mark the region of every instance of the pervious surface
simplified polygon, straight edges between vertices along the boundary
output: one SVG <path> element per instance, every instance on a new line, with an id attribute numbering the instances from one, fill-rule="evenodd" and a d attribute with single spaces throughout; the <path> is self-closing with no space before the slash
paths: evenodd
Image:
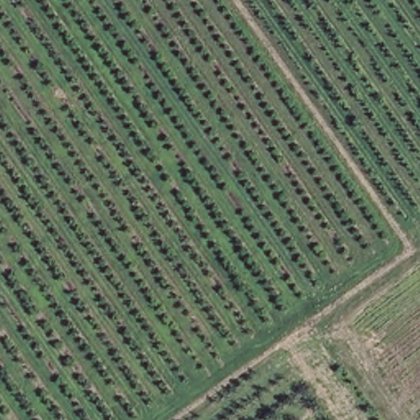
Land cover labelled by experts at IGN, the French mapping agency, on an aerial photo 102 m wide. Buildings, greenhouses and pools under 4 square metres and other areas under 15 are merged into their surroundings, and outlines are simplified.
<path id="1" fill-rule="evenodd" d="M 304 87 L 295 79 L 281 54 L 274 48 L 269 36 L 264 33 L 241 0 L 231 0 L 249 28 L 258 36 L 259 43 L 269 52 L 272 61 L 281 69 L 287 82 L 294 87 L 295 94 L 302 98 L 305 107 L 317 120 L 320 130 L 335 144 L 336 151 L 345 159 L 354 177 L 363 185 L 363 189 L 379 208 L 382 217 L 386 218 L 390 228 L 404 244 L 404 251 L 399 256 L 395 256 L 386 266 L 379 267 L 371 276 L 346 290 L 343 297 L 346 300 L 351 299 L 413 254 L 412 241 L 407 238 L 407 233 L 402 230 L 397 220 L 390 215 L 384 202 L 369 184 L 358 164 L 353 161 L 353 156 L 348 153 L 340 138 L 335 135 L 335 131 L 331 130 L 328 121 L 315 107 L 312 98 L 308 97 Z"/>
<path id="2" fill-rule="evenodd" d="M 228 386 L 231 379 L 236 379 L 277 353 L 274 346 L 269 346 L 264 353 L 235 371 L 235 376 L 223 379 L 220 384 L 208 390 L 207 394 L 200 395 L 192 404 L 179 410 L 176 420 L 195 420 L 199 418 L 199 413 L 195 410 L 205 404 L 207 397 L 217 395 L 223 387 Z"/>

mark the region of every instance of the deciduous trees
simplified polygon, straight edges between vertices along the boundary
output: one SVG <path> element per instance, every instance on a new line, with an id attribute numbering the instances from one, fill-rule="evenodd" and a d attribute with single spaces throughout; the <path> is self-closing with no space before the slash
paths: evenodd
<path id="1" fill-rule="evenodd" d="M 363 141 L 371 151 L 371 156 L 376 159 L 377 166 L 384 166 L 384 157 L 377 151 L 366 131 L 363 131 Z"/>
<path id="2" fill-rule="evenodd" d="M 390 171 L 387 180 L 402 200 L 415 207 L 409 192 L 402 187 L 394 172 Z"/>
<path id="3" fill-rule="evenodd" d="M 389 112 L 389 107 L 384 105 L 384 113 L 394 126 L 395 133 L 409 148 L 410 153 L 415 153 L 417 148 L 405 135 L 399 121 Z"/>
<path id="4" fill-rule="evenodd" d="M 28 292 L 20 289 L 18 282 L 8 276 L 5 277 L 5 282 L 20 302 L 23 312 L 30 315 L 30 304 L 26 302 Z"/>
<path id="5" fill-rule="evenodd" d="M 394 148 L 394 143 L 387 138 L 381 125 L 374 120 L 374 116 L 366 107 L 366 103 L 361 100 L 364 94 L 371 95 L 372 100 L 381 98 L 366 80 L 354 87 L 356 95 L 351 98 L 354 103 L 359 103 L 364 116 L 376 128 L 377 135 L 389 144 L 394 161 L 400 167 L 407 167 L 404 159 L 399 156 L 399 151 Z"/>
<path id="6" fill-rule="evenodd" d="M 410 69 L 420 80 L 420 67 L 413 61 L 412 54 L 405 49 L 404 44 L 395 44 L 395 48 L 399 49 Z"/>
<path id="7" fill-rule="evenodd" d="M 143 389 L 131 376 L 130 367 L 121 366 L 118 371 L 125 377 L 131 392 L 141 392 Z"/>
<path id="8" fill-rule="evenodd" d="M 228 407 L 221 410 L 217 415 L 218 420 L 228 420 L 236 410 L 244 409 L 256 397 L 261 397 L 262 387 L 254 386 L 253 394 L 231 402 Z"/>
<path id="9" fill-rule="evenodd" d="M 353 220 L 346 217 L 345 210 L 341 210 L 335 197 L 331 195 L 331 199 L 326 202 L 336 218 L 340 220 L 341 225 L 346 226 L 346 230 L 353 228 Z"/>
<path id="10" fill-rule="evenodd" d="M 26 205 L 34 210 L 39 203 L 26 192 L 25 185 L 21 184 L 13 172 L 8 177 L 20 192 L 20 199 L 25 200 Z"/>
<path id="11" fill-rule="evenodd" d="M 225 223 L 220 226 L 220 231 L 230 241 L 236 256 L 240 258 L 243 254 L 248 254 L 241 248 L 240 240 L 233 235 L 233 231 L 228 230 Z"/>
<path id="12" fill-rule="evenodd" d="M 318 13 L 318 26 L 328 36 L 333 48 L 340 48 L 336 34 L 326 23 L 322 13 Z"/>
<path id="13" fill-rule="evenodd" d="M 305 128 L 304 121 L 290 105 L 284 92 L 279 89 L 276 92 L 277 97 L 302 130 Z"/>
<path id="14" fill-rule="evenodd" d="M 389 199 L 389 195 L 384 192 L 376 177 L 372 176 L 371 169 L 366 166 L 356 146 L 351 143 L 345 131 L 338 130 L 336 118 L 328 121 L 331 130 L 335 131 L 335 135 L 340 138 L 348 153 L 353 156 L 353 161 L 358 164 L 369 184 L 384 202 Z"/>
<path id="15" fill-rule="evenodd" d="M 228 277 L 233 290 L 240 290 L 238 277 L 230 264 L 225 262 L 218 244 L 215 243 L 210 249 L 218 264 L 215 267 L 223 272 L 223 276 Z"/>

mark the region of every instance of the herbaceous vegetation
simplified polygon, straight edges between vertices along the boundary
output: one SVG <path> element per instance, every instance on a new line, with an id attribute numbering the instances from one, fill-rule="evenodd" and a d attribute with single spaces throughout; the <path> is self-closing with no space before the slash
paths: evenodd
<path id="1" fill-rule="evenodd" d="M 231 0 L 0 0 L 0 420 L 176 420 L 179 410 L 192 404 L 200 395 L 207 394 L 208 390 L 220 384 L 223 379 L 235 376 L 235 371 L 264 353 L 269 346 L 274 346 L 277 353 L 236 379 L 231 379 L 228 386 L 223 387 L 217 395 L 207 397 L 205 404 L 195 410 L 199 413 L 199 418 L 195 420 L 218 420 L 217 415 L 221 410 L 228 407 L 231 402 L 253 394 L 254 386 L 262 387 L 261 397 L 256 397 L 244 409 L 236 410 L 228 420 L 420 420 L 420 394 L 402 404 L 399 395 L 390 392 L 381 397 L 374 390 L 364 389 L 361 392 L 363 376 L 354 363 L 351 348 L 345 340 L 333 338 L 331 326 L 340 323 L 341 318 L 353 312 L 361 302 L 369 299 L 374 292 L 420 261 L 420 80 L 410 69 L 399 49 L 395 48 L 395 44 L 404 44 L 405 49 L 412 54 L 413 61 L 420 67 L 420 0 L 241 0 L 264 33 L 269 36 L 274 48 L 281 54 L 295 79 L 304 87 L 308 97 L 312 98 L 315 107 L 328 121 L 336 118 L 338 130 L 345 131 L 351 143 L 356 146 L 366 166 L 371 169 L 372 176 L 376 177 L 384 192 L 389 195 L 389 199 L 384 202 L 390 215 L 397 220 L 402 230 L 407 233 L 407 238 L 412 241 L 413 254 L 351 299 L 346 300 L 343 297 L 346 290 L 371 276 L 379 267 L 386 266 L 395 256 L 399 256 L 404 251 L 404 244 L 390 228 L 386 218 L 382 217 L 379 208 L 363 189 L 363 185 L 354 177 L 345 159 L 336 151 L 335 144 L 320 130 L 317 120 L 305 107 L 302 98 L 295 94 L 294 87 L 287 82 L 281 69 L 272 61 L 269 52 L 259 43 L 258 36 L 249 28 Z M 326 23 L 336 34 L 340 48 L 333 48 L 328 36 L 318 26 L 318 13 L 322 13 Z M 374 120 L 381 125 L 387 138 L 394 143 L 394 148 L 399 151 L 399 156 L 404 159 L 407 167 L 400 167 L 394 161 L 389 144 L 377 135 L 376 128 L 364 116 L 359 103 L 354 103 L 351 98 L 356 95 L 354 87 L 366 80 L 381 98 L 372 100 L 371 95 L 364 94 L 361 100 L 366 103 L 366 107 L 374 116 Z M 304 121 L 305 128 L 302 130 L 277 97 L 276 92 L 279 89 L 284 92 L 290 105 Z M 415 153 L 410 153 L 409 148 L 395 133 L 394 126 L 384 113 L 384 105 L 389 107 L 389 112 L 399 121 L 405 135 L 417 148 Z M 377 151 L 384 157 L 384 166 L 377 166 L 376 159 L 371 156 L 371 151 L 363 141 L 363 131 L 366 131 Z M 402 200 L 387 180 L 390 171 L 394 172 L 402 187 L 409 192 L 415 207 Z M 8 177 L 13 172 L 21 184 L 25 185 L 26 192 L 39 203 L 34 210 L 26 205 L 25 200 L 20 199 L 20 192 Z M 341 210 L 345 210 L 346 217 L 353 220 L 353 228 L 346 230 L 346 226 L 341 225 L 340 220 L 336 218 L 326 202 L 331 199 L 331 195 L 335 197 Z M 230 241 L 220 231 L 220 226 L 225 223 L 228 230 L 233 231 L 233 235 L 240 240 L 241 248 L 248 254 L 243 254 L 240 258 L 236 256 Z M 240 290 L 233 290 L 228 277 L 223 276 L 223 272 L 215 267 L 218 264 L 210 249 L 215 243 L 218 244 L 225 262 L 230 264 L 238 277 Z M 18 282 L 20 289 L 28 292 L 26 302 L 30 304 L 30 315 L 23 312 L 20 302 L 5 282 L 5 277 L 8 276 Z M 131 392 L 125 377 L 118 371 L 121 366 L 130 367 L 131 376 L 143 389 L 141 392 Z"/>

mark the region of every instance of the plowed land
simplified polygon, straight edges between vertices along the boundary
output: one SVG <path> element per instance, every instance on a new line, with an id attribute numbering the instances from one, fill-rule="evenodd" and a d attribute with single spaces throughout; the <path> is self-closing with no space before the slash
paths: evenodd
<path id="1" fill-rule="evenodd" d="M 331 326 L 333 338 L 345 340 L 351 348 L 354 363 L 363 376 L 361 392 L 364 389 L 374 390 L 381 397 L 390 392 L 399 395 L 402 404 L 420 394 L 420 261 L 374 292 L 369 299 L 361 302 L 353 312 L 341 318 L 340 323 Z"/>

